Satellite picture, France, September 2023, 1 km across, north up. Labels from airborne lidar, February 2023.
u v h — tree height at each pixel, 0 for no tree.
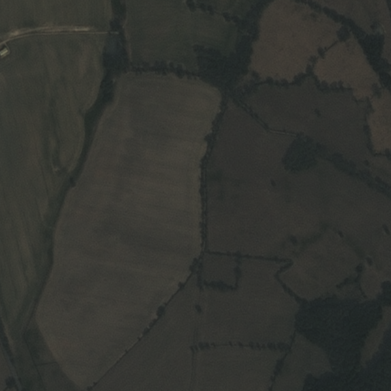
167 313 0
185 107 0
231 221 0
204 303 0
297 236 0
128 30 0
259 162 0
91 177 0
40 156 0
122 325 0
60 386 0
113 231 0
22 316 0
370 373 18
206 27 0
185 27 0
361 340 18
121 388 0
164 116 0
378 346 0
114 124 0
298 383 0
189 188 0
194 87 0
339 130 0
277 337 0
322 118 0
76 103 0
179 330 0
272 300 0
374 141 0
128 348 0
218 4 0
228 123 0
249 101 0
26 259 0
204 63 11
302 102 0
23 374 0
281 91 0
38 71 0
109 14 0
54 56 0
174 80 0
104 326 0
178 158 0
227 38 0
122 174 0
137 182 0
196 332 0
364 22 0
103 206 0
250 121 0
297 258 0
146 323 0
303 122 0
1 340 13
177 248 0
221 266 0
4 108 0
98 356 0
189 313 0
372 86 0
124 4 0
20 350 0
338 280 0
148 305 0
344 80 0
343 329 25
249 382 0
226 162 0
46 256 0
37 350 0
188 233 0
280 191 0
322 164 0
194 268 9
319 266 0
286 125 0
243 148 0
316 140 0
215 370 0
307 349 0
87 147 0
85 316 0
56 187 0
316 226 0
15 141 0
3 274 0
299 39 0
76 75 0
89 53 0
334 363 15
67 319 0
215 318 0
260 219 0
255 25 15
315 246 0
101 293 0
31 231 0
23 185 0
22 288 0
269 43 0
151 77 0
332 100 0
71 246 0
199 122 0
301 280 0
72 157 0
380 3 0
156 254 0
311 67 17
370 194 0
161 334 0
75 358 0
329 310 21
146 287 0
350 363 22
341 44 0
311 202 0
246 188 0
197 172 0
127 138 0
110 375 0
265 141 0
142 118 0
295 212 0
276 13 0
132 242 0
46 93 0
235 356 0
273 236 0
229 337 0
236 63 20
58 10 0
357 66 0
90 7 0
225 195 0
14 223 0
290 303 0
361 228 0
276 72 0
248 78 0
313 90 0
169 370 0
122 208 0
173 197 0
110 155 0
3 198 0
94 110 0
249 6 0
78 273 0
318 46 0
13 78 0
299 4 0
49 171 0
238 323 0
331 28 0
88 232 0
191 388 0
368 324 19
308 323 24
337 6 0
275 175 0
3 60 0
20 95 0
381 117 0
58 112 0
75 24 0
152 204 0
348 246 0
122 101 0
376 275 0
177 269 0
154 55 0
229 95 15
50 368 0
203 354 0
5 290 0
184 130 0
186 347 0
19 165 0
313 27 0
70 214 0
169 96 0
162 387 0
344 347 18
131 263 0
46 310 0
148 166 0
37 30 0
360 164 0
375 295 0
